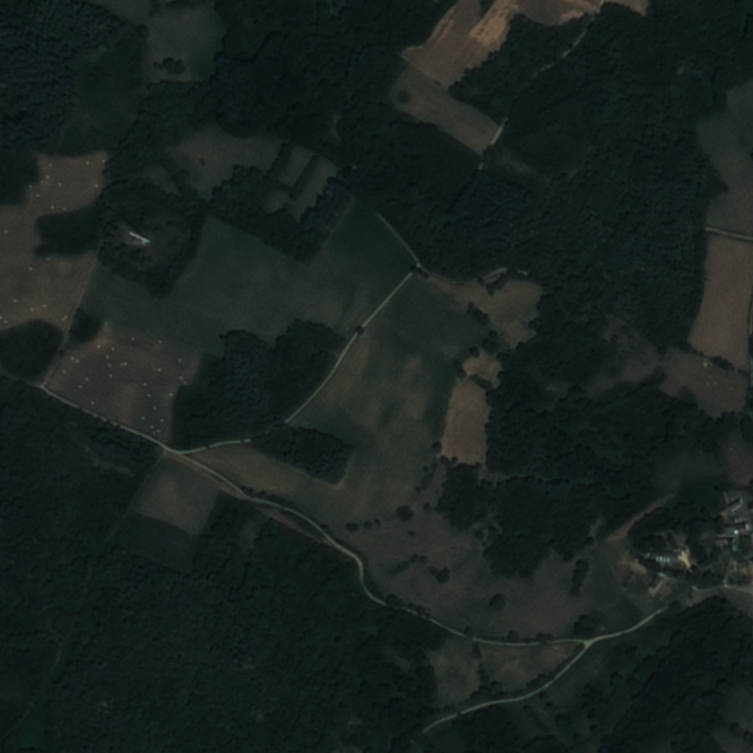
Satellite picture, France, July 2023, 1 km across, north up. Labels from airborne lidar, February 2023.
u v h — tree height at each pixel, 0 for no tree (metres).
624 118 21
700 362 0
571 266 15
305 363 9
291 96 22
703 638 6
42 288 0
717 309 0
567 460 21
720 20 20
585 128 13
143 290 0
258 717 21
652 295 18
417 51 0
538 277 7
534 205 7
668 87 9
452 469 9
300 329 13
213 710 9
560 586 0
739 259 0
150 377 0
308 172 7
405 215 17
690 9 21
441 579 12
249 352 17
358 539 0
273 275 0
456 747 0
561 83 11
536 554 20
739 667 18
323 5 12
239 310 0
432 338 0
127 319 0
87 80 0
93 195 0
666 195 22
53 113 15
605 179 16
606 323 9
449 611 0
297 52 20
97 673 14
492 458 18
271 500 10
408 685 21
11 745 12
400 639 7
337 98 9
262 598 8
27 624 0
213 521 0
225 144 0
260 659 12
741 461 0
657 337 10
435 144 9
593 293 18
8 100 16
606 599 0
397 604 18
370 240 0
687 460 0
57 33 22
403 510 10
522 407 20
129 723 16
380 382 0
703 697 8
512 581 0
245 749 17
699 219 18
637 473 16
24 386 7
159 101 19
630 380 0
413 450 0
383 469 0
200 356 0
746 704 0
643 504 9
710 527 18
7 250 0
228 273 0
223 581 22
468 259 9
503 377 14
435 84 0
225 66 23
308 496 0
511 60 7
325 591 9
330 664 10
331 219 23
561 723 16
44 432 7
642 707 12
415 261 0
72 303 0
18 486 9
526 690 6
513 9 0
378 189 15
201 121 11
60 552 8
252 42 0
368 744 7
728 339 0
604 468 10
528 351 19
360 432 0
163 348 0
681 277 19
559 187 9
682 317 16
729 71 24
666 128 13
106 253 13
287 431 6
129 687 11
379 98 16
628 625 0
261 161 0
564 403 13
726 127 0
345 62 15
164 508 0
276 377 17
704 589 0
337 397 0
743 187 0
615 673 0
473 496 14
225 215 13
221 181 0
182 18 0
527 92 7
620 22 16
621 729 12
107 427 12
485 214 16
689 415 21
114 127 0
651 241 23
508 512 17
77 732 8
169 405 0
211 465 0
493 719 18
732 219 0
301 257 14
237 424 13
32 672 10
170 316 0
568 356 13
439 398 0
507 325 0
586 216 16
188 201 11
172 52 0
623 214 7
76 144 0
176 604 10
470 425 0
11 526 14
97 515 13
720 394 0
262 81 29
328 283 0
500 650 0
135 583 15
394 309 0
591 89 14
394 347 0
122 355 0
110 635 9
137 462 16
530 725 0
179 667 6
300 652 9
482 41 0
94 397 0
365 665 10
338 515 0
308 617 8
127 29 22
